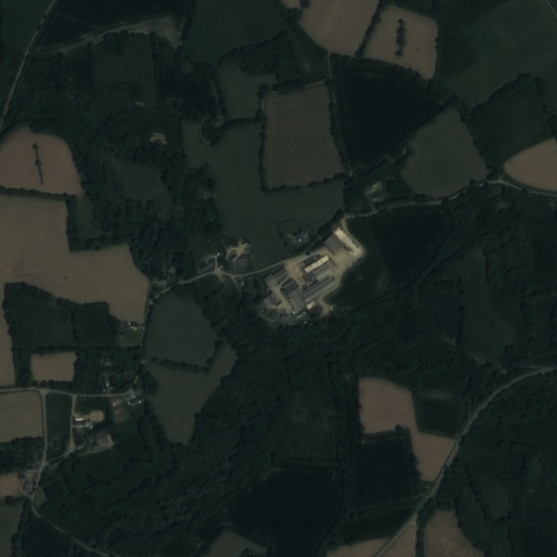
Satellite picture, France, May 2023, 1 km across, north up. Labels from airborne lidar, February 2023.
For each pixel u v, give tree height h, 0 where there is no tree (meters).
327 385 5
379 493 0
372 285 0
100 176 21
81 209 0
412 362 16
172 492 7
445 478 8
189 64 11
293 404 0
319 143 0
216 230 13
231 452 7
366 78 0
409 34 0
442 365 11
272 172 0
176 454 13
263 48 14
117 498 0
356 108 0
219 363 0
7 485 0
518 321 0
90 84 0
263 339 14
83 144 8
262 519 0
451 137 0
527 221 10
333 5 0
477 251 0
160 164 10
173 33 0
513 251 6
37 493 0
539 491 0
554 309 9
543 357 10
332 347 12
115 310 0
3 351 0
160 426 10
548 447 0
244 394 9
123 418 0
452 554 0
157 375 0
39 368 0
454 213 9
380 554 0
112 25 0
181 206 9
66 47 0
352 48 0
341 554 0
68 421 0
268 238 0
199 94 0
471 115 9
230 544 0
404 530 0
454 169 0
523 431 0
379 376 13
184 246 21
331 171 0
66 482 10
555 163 0
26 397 0
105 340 0
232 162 0
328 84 10
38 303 0
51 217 0
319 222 0
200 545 0
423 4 0
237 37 0
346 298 0
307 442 0
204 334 0
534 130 0
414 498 0
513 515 10
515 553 13
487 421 10
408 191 6
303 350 8
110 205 13
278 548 0
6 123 9
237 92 0
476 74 0
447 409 0
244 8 0
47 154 0
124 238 15
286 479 0
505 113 0
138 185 0
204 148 0
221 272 0
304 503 0
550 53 0
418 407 0
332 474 0
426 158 0
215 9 0
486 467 0
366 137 0
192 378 0
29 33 0
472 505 0
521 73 0
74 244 15
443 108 11
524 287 16
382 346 0
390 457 0
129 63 0
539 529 8
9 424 0
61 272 0
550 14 0
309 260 0
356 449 0
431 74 0
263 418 18
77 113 14
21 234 0
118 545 22
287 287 0
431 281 14
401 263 0
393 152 0
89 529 0
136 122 0
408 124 0
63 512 16
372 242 0
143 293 0
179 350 0
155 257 9
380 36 0
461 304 0
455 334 0
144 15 0
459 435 0
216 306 8
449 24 0
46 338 0
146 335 7
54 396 0
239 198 0
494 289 8
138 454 0
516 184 0
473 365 16
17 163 0
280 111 0
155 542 22
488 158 8
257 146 0
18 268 0
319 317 11
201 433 10
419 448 0
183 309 0
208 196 0
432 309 0
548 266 0
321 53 7
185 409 0
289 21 13
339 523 9
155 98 0
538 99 0
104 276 0
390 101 0
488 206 11
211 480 8
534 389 7
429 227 0
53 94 8
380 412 0
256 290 11
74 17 0
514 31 0
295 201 0
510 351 12
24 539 15
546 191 0
